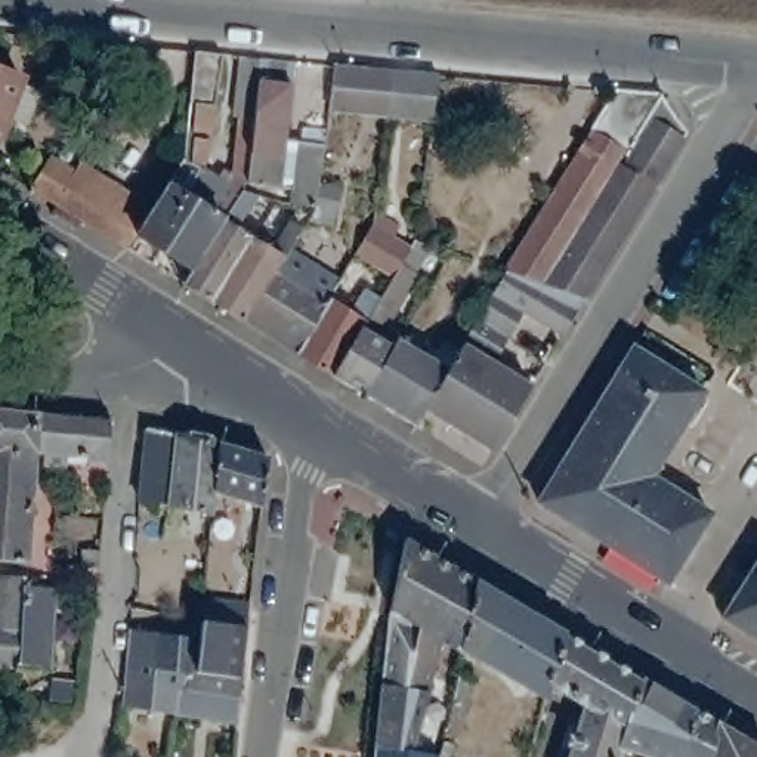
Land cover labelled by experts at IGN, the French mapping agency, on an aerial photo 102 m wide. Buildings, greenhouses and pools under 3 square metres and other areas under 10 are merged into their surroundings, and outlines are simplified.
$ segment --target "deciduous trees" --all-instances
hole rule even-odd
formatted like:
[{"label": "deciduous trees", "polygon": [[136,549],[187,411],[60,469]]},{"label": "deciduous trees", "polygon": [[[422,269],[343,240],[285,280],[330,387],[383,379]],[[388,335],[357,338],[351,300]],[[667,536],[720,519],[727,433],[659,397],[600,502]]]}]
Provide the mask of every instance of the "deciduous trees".
[{"label": "deciduous trees", "polygon": [[429,210],[426,186],[423,192],[408,189],[402,207],[408,231],[417,234],[417,240],[435,257],[444,254],[444,248],[452,242],[455,228],[449,219]]},{"label": "deciduous trees", "polygon": [[98,577],[89,571],[89,565],[71,574],[59,588],[53,606],[53,639],[71,633],[74,648],[83,656],[89,662],[98,621]]},{"label": "deciduous trees", "polygon": [[47,245],[41,245],[35,231],[27,231],[21,225],[21,213],[12,204],[12,192],[0,189],[0,402],[24,402],[30,396],[59,399],[74,390],[80,355],[74,349],[80,340],[80,325],[89,319],[89,305],[83,305],[86,293],[71,272],[71,263],[65,257],[59,260],[56,248],[50,251]]},{"label": "deciduous trees", "polygon": [[346,512],[334,529],[334,550],[343,553],[355,541],[358,550],[373,553],[373,517]]},{"label": "deciduous trees", "polygon": [[526,115],[515,112],[506,103],[497,86],[470,86],[447,95],[438,98],[435,118],[429,127],[435,133],[438,157],[447,174],[470,177],[488,166],[515,166],[526,154]]},{"label": "deciduous trees", "polygon": [[50,500],[50,515],[59,520],[74,517],[80,512],[77,467],[38,470],[41,488]]},{"label": "deciduous trees", "polygon": [[180,92],[177,83],[172,83],[172,74],[160,53],[148,56],[145,50],[118,44],[101,47],[83,33],[41,27],[35,21],[24,33],[9,33],[9,24],[0,27],[0,65],[24,56],[44,62],[53,44],[71,53],[68,80],[59,86],[59,101],[53,103],[53,112],[47,118],[53,124],[53,136],[44,139],[41,154],[30,148],[33,139],[24,133],[12,133],[6,148],[9,157],[24,160],[21,183],[33,186],[38,177],[38,166],[50,163],[62,151],[80,160],[83,166],[95,169],[121,166],[124,157],[133,151],[130,142],[115,142],[118,133],[145,136],[151,142],[151,154],[177,166],[183,163],[189,92]]},{"label": "deciduous trees", "polygon": [[668,290],[654,305],[648,305],[651,313],[659,313],[668,322],[677,322],[680,316],[701,319],[710,349],[730,364],[745,364],[757,355],[757,180],[751,186],[736,189],[736,204],[727,207],[710,225],[710,234],[719,237],[719,242],[698,257],[698,266],[680,284],[680,290]]},{"label": "deciduous trees", "polygon": [[444,707],[452,707],[455,680],[476,683],[473,665],[464,659],[458,654],[449,654],[444,680]]},{"label": "deciduous trees", "polygon": [[35,748],[33,727],[21,727],[21,713],[3,713],[0,707],[0,757],[18,757]]},{"label": "deciduous trees", "polygon": [[458,319],[458,325],[464,328],[485,322],[494,296],[476,293],[464,302]]}]

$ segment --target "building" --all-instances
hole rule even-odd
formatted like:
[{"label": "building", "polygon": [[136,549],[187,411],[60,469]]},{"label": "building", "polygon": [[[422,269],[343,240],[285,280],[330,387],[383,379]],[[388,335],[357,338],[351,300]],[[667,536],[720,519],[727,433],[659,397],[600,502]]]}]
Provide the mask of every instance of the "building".
[{"label": "building", "polygon": [[630,556],[654,577],[671,583],[689,550],[695,547],[704,523],[710,520],[710,509],[701,500],[701,491],[692,494],[680,488],[668,476],[662,476],[662,470],[671,467],[668,455],[683,429],[689,426],[689,420],[695,417],[695,411],[704,405],[707,387],[698,381],[692,367],[680,370],[654,349],[630,343],[615,373],[597,393],[594,405],[588,408],[585,420],[580,423],[577,435],[571,438],[568,449],[562,452],[559,464],[553,467],[547,485],[535,497],[547,503],[556,515],[568,517],[588,535],[594,535],[600,547]]},{"label": "building", "polygon": [[0,668],[18,665],[33,662],[41,668],[41,674],[53,674],[53,639],[53,606],[59,588],[50,588],[33,585],[30,577],[0,577]]},{"label": "building", "polygon": [[517,597],[506,594],[503,588],[491,585],[488,580],[461,571],[452,562],[444,562],[441,556],[423,550],[411,538],[402,547],[393,612],[387,621],[381,668],[384,677],[379,695],[379,727],[373,757],[441,757],[441,754],[420,754],[417,742],[426,739],[423,716],[432,707],[432,683],[435,677],[444,680],[449,654],[458,654],[464,659],[467,654],[476,654],[482,662],[500,668],[503,674],[523,683],[538,698],[550,698],[553,704],[565,698],[583,707],[568,742],[568,757],[757,757],[757,739],[704,713],[698,704],[683,701],[665,686],[654,683],[651,677],[636,674],[630,665],[612,659],[606,651],[585,645],[585,639],[574,636],[568,627],[535,612]]},{"label": "building", "polygon": [[35,515],[33,500],[35,488],[41,488],[38,470],[77,467],[95,470],[112,452],[112,447],[103,441],[112,429],[109,414],[44,414],[27,408],[24,402],[0,402],[0,565],[6,565],[12,556],[30,553]]},{"label": "building", "polygon": [[216,509],[216,494],[248,500],[251,506],[263,500],[269,473],[263,444],[257,449],[248,449],[198,429],[172,432],[160,426],[136,426],[130,485],[133,500],[142,506],[166,503],[174,509],[201,512],[204,517]]},{"label": "building", "polygon": [[248,621],[204,621],[198,668],[189,659],[186,636],[127,627],[112,630],[112,639],[124,639],[112,704],[121,710],[130,707],[166,716],[201,722],[210,719],[222,727],[237,727]]},{"label": "building", "polygon": [[730,615],[745,633],[757,636],[757,556],[739,580],[739,585],[733,588],[727,606],[722,609],[722,615]]},{"label": "building", "polygon": [[30,86],[24,56],[0,65],[0,151],[6,148],[12,133],[24,133],[35,109],[38,95]]},{"label": "building", "polygon": [[225,44],[219,44],[216,53],[195,53],[195,74],[189,92],[183,163],[177,166],[172,172],[172,180],[163,186],[160,198],[136,228],[127,216],[127,189],[109,183],[95,169],[83,166],[80,160],[62,151],[50,163],[38,166],[38,177],[33,186],[33,204],[50,201],[47,213],[71,225],[80,225],[92,234],[101,234],[115,245],[139,231],[139,237],[145,237],[154,248],[169,254],[174,269],[189,269],[183,287],[195,290],[201,302],[213,302],[213,308],[222,316],[240,319],[248,334],[260,337],[263,343],[281,349],[296,361],[308,361],[334,384],[340,381],[352,393],[361,393],[361,399],[373,411],[417,429],[420,435],[444,441],[464,458],[479,464],[488,458],[491,447],[497,447],[506,438],[512,426],[520,423],[517,411],[523,408],[532,390],[529,381],[517,379],[517,361],[512,367],[500,364],[500,355],[509,352],[506,343],[517,340],[526,331],[520,316],[541,319],[547,331],[556,316],[577,319],[580,299],[597,290],[609,263],[621,251],[633,225],[639,222],[642,210],[654,198],[656,183],[668,174],[671,163],[683,151],[683,130],[668,115],[656,115],[648,124],[636,148],[621,148],[609,133],[594,127],[583,142],[574,166],[565,172],[562,183],[553,186],[550,198],[544,201],[541,216],[535,219],[520,248],[509,260],[503,284],[494,290],[494,296],[485,322],[464,328],[470,337],[461,346],[458,358],[452,352],[441,352],[435,358],[405,337],[384,340],[373,331],[355,331],[352,325],[358,319],[387,322],[399,316],[408,305],[414,281],[417,272],[435,269],[435,257],[417,240],[417,234],[408,231],[402,207],[387,201],[387,210],[373,219],[373,228],[355,263],[364,266],[370,278],[390,275],[390,287],[381,296],[364,293],[355,308],[346,308],[340,302],[316,302],[316,293],[343,290],[343,281],[334,275],[334,263],[325,263],[305,251],[302,231],[296,222],[272,248],[269,242],[242,231],[248,216],[257,216],[266,201],[257,198],[257,189],[269,189],[275,195],[290,192],[293,201],[313,201],[340,198],[340,174],[334,174],[328,154],[325,145],[331,124],[343,124],[343,112],[361,112],[373,112],[373,118],[379,121],[393,121],[396,127],[414,121],[423,130],[429,127],[435,118],[438,98],[447,95],[435,77],[438,68],[432,68],[429,74],[379,71],[358,68],[355,53],[328,53],[322,68],[322,124],[305,124],[305,133],[296,142],[290,139],[290,71],[296,62],[287,53],[263,53]]}]

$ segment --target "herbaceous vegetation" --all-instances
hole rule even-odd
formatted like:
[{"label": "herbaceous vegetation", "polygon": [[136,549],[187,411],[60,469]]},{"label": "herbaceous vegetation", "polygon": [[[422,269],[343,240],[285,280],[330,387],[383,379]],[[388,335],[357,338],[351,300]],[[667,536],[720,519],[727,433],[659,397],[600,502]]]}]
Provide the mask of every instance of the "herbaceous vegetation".
[{"label": "herbaceous vegetation", "polygon": [[402,207],[408,189],[423,130],[414,121],[396,127],[387,169],[387,201]]},{"label": "herbaceous vegetation", "polygon": [[343,553],[349,556],[346,588],[355,594],[364,594],[367,583],[376,577],[373,553],[358,550],[355,541]]},{"label": "herbaceous vegetation", "polygon": [[290,719],[290,730],[316,727],[328,677],[334,674],[340,659],[346,659],[349,648],[361,639],[367,627],[370,612],[361,606],[355,624],[358,630],[346,642],[308,639],[313,659],[305,671],[302,713]]},{"label": "herbaceous vegetation", "polygon": [[491,0],[520,6],[671,12],[683,18],[757,24],[757,0]]},{"label": "herbaceous vegetation", "polygon": [[163,722],[166,716],[130,707],[130,733],[118,745],[115,757],[169,757],[172,724]]},{"label": "herbaceous vegetation", "polygon": [[109,476],[103,470],[95,470],[77,467],[80,512],[74,517],[95,520],[92,538],[83,541],[74,541],[59,520],[50,515],[50,588],[59,588],[71,574],[89,565],[83,556],[86,550],[101,547],[103,512],[109,497]]},{"label": "herbaceous vegetation", "polygon": [[325,736],[319,736],[328,748],[358,748],[361,710],[367,698],[364,659],[340,677],[340,695],[331,727]]},{"label": "herbaceous vegetation", "polygon": [[142,506],[139,535],[133,535],[133,553],[139,553],[142,562],[142,585],[139,591],[127,594],[127,627],[186,636],[189,659],[198,668],[204,621],[248,621],[251,580],[245,577],[245,571],[254,568],[260,535],[260,520],[251,517],[251,506],[248,500],[216,494],[216,509],[225,512],[225,520],[213,526],[207,574],[198,571],[195,544],[204,517],[201,512],[174,509],[166,503]]},{"label": "herbaceous vegetation", "polygon": [[361,130],[361,112],[343,112],[343,124],[331,124],[325,145],[328,154],[349,154]]},{"label": "herbaceous vegetation", "polygon": [[74,648],[71,633],[53,639],[53,674],[41,674],[41,668],[33,662],[18,665],[21,680],[27,680],[27,689],[38,692],[38,701],[74,701],[77,662],[83,656]]},{"label": "herbaceous vegetation", "polygon": [[464,659],[473,665],[476,683],[455,680],[452,707],[455,716],[452,727],[447,730],[447,745],[441,754],[441,757],[515,757],[517,748],[512,742],[512,733],[523,727],[523,722],[529,727],[538,727],[541,719],[553,719],[553,704],[550,698],[538,698],[523,683],[503,674],[500,668],[482,662],[476,654],[467,654]]},{"label": "herbaceous vegetation", "polygon": [[47,118],[53,112],[53,103],[59,101],[59,86],[68,80],[71,53],[53,44],[44,62],[24,56],[30,86],[38,95],[35,109]]},{"label": "herbaceous vegetation", "polygon": [[506,248],[512,228],[526,213],[529,201],[544,201],[550,198],[553,186],[562,183],[565,172],[574,166],[583,142],[594,127],[606,101],[594,95],[594,89],[568,95],[568,80],[497,77],[438,68],[435,77],[447,95],[470,86],[497,86],[506,103],[515,112],[526,115],[526,154],[515,166],[488,166],[470,177],[447,174],[438,157],[429,160],[426,186],[429,210],[449,219],[455,228],[452,242],[458,248],[473,251],[473,257],[449,257],[435,284],[414,281],[408,305],[399,316],[387,322],[358,319],[352,325],[355,331],[373,331],[384,340],[405,337],[435,358],[441,352],[452,352],[458,358],[461,346],[470,337],[464,328],[458,325],[458,319],[449,316],[452,281],[479,275],[479,266],[488,254],[500,254]]},{"label": "herbaceous vegetation", "polygon": [[18,757],[65,757],[59,739],[68,727],[59,722],[35,722],[33,727],[35,748]]}]

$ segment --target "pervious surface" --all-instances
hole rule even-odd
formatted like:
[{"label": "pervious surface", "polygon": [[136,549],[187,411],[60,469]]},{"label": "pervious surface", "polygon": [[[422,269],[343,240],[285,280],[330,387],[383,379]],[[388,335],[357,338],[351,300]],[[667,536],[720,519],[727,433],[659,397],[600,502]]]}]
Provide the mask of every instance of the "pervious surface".
[{"label": "pervious surface", "polygon": [[671,12],[520,6],[491,0],[322,0],[361,6],[402,6],[438,15],[710,35],[757,44],[757,24],[683,18]]}]

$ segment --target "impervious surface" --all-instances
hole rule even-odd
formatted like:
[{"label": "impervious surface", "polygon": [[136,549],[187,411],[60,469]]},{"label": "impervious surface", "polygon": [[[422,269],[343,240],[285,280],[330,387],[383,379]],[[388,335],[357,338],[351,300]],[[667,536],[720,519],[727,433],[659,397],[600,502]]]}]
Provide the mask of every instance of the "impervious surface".
[{"label": "impervious surface", "polygon": [[207,739],[222,727],[210,719],[201,722],[195,727],[192,757],[204,757]]},{"label": "impervious surface", "polygon": [[293,210],[272,210],[266,225],[257,216],[248,216],[242,231],[269,242],[272,248],[296,222]]},{"label": "impervious surface", "polygon": [[553,719],[544,757],[568,757],[568,742],[583,707],[565,698],[553,704]]},{"label": "impervious surface", "polygon": [[41,488],[35,488],[33,500],[35,515],[30,553],[12,556],[6,565],[0,565],[0,577],[30,577],[33,585],[50,588],[50,515],[50,500]]},{"label": "impervious surface", "polygon": [[83,541],[92,538],[95,520],[74,517],[59,520],[74,541]]},{"label": "impervious surface", "polygon": [[452,707],[444,707],[444,680],[435,677],[432,683],[432,707],[423,716],[426,739],[417,742],[420,754],[441,754],[447,745],[447,730],[452,727],[455,716]]},{"label": "impervious surface", "polygon": [[313,201],[316,207],[310,228],[302,231],[305,251],[325,263],[334,263],[334,275],[343,281],[343,290],[316,293],[316,302],[340,302],[346,308],[355,308],[364,293],[381,296],[390,287],[390,275],[370,278],[364,266],[355,263],[373,228],[373,219],[355,219],[352,169],[373,166],[379,121],[373,118],[373,112],[361,112],[361,130],[349,154],[328,154],[334,174],[340,174],[340,198]]},{"label": "impervious surface", "polygon": [[[594,89],[594,95],[606,101],[594,127],[609,133],[621,148],[636,148],[648,124],[656,115],[668,115],[683,130],[683,151],[671,163],[668,174],[656,183],[654,198],[642,210],[639,222],[633,225],[621,251],[609,263],[597,290],[580,299],[577,319],[556,316],[547,331],[541,319],[520,316],[526,331],[517,340],[506,343],[509,352],[500,355],[500,364],[512,367],[517,361],[517,379],[529,381],[532,390],[523,408],[517,411],[520,423],[512,426],[506,438],[497,447],[491,447],[488,458],[479,464],[464,458],[444,441],[420,435],[417,429],[373,411],[361,399],[361,393],[352,393],[340,381],[334,384],[308,361],[296,361],[281,349],[263,343],[260,337],[248,334],[240,319],[222,316],[213,308],[213,302],[201,302],[195,290],[183,287],[189,269],[174,269],[169,254],[154,248],[145,237],[139,237],[139,231],[115,245],[101,234],[92,234],[80,225],[71,225],[47,213],[50,201],[33,204],[33,186],[21,183],[24,160],[9,157],[6,148],[0,151],[0,189],[12,192],[12,204],[21,213],[21,225],[27,231],[35,231],[41,245],[47,245],[50,251],[56,248],[59,260],[65,257],[71,263],[71,272],[86,293],[83,305],[89,305],[89,319],[80,325],[80,340],[74,349],[80,355],[74,390],[59,399],[30,396],[24,402],[27,408],[44,414],[109,414],[112,429],[103,441],[112,447],[112,452],[95,470],[103,470],[109,476],[109,497],[103,512],[101,547],[86,550],[83,556],[89,565],[89,571],[98,577],[98,621],[89,662],[86,707],[68,727],[59,739],[65,757],[103,757],[112,704],[124,639],[112,639],[112,630],[127,627],[127,594],[139,591],[142,585],[142,562],[139,553],[133,553],[133,535],[139,535],[142,506],[133,500],[130,485],[136,426],[160,426],[172,432],[198,429],[248,449],[257,449],[263,444],[269,473],[263,500],[251,506],[251,517],[260,520],[260,535],[254,568],[245,571],[245,577],[251,580],[248,621],[237,727],[234,757],[361,757],[358,748],[328,748],[319,736],[325,736],[331,727],[340,695],[340,677],[364,659],[379,615],[387,621],[393,612],[402,547],[411,538],[423,550],[441,556],[444,562],[452,562],[461,571],[488,580],[491,585],[503,588],[506,594],[517,597],[535,612],[568,627],[574,636],[585,639],[585,645],[606,651],[612,659],[630,665],[636,674],[651,677],[654,683],[665,686],[683,701],[698,704],[704,713],[757,739],[757,636],[745,633],[730,615],[722,615],[722,609],[727,606],[733,588],[739,585],[739,580],[757,556],[757,355],[745,364],[730,364],[710,349],[701,319],[680,316],[677,322],[668,322],[659,313],[651,313],[648,305],[654,305],[668,290],[680,290],[680,284],[698,266],[698,257],[719,242],[719,237],[710,234],[710,225],[727,207],[736,204],[736,189],[751,186],[757,180],[757,44],[710,35],[438,15],[402,6],[361,6],[322,0],[0,0],[0,27],[9,24],[9,33],[24,33],[35,21],[41,27],[83,33],[101,47],[118,44],[145,50],[148,56],[160,53],[172,74],[172,83],[177,83],[180,92],[189,92],[195,74],[195,53],[216,53],[219,44],[225,44],[263,53],[287,53],[296,62],[290,71],[290,139],[296,142],[305,133],[305,124],[322,124],[322,68],[328,53],[355,53],[358,68],[379,71],[429,74],[432,68],[438,68],[497,77],[568,80],[568,95]],[[707,387],[704,405],[695,411],[695,417],[689,420],[689,426],[683,429],[668,455],[671,467],[662,470],[662,476],[668,476],[680,488],[692,494],[701,491],[701,500],[710,509],[710,520],[704,523],[695,547],[689,550],[671,583],[654,577],[630,556],[600,547],[594,535],[588,535],[568,517],[556,515],[547,503],[535,497],[547,485],[553,467],[559,464],[562,452],[568,449],[571,438],[577,435],[580,423],[585,420],[588,408],[594,405],[597,393],[615,373],[630,343],[654,349],[680,370],[692,367],[698,381]],[[334,529],[346,512],[373,517],[373,553],[376,577],[367,583],[364,594],[355,594],[346,588],[349,556],[343,553],[334,550]],[[358,630],[355,624],[361,606],[370,612],[367,627],[361,639],[349,648],[346,659],[340,659],[334,674],[328,677],[316,727],[290,730],[290,719],[302,713],[305,671],[313,659],[308,639],[346,642]]]},{"label": "impervious surface", "polygon": [[127,189],[127,216],[136,228],[160,198],[163,186],[172,180],[172,172],[177,166],[151,154],[151,142],[145,136],[118,133],[115,142],[130,142],[133,151],[124,157],[121,166],[95,169],[109,183]]},{"label": "impervious surface", "polygon": [[41,154],[44,139],[53,136],[53,124],[47,118],[35,109],[24,133],[33,139],[30,148]]}]

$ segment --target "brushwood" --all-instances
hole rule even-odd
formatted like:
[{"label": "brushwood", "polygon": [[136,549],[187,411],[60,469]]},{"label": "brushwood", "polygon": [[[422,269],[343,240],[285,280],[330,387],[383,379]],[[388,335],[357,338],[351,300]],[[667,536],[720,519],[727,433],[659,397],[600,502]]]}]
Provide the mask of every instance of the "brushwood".
[{"label": "brushwood", "polygon": [[130,733],[130,707],[121,710],[112,704],[103,757],[115,757],[118,745]]},{"label": "brushwood", "polygon": [[544,201],[529,201],[526,213],[512,228],[506,248],[500,254],[488,254],[479,266],[479,275],[452,281],[449,316],[458,319],[464,302],[476,293],[494,296],[494,290],[503,284],[509,260],[520,248],[535,219],[541,216]]},{"label": "brushwood", "polygon": [[444,248],[444,254],[435,257],[435,269],[417,272],[414,281],[435,284],[449,257],[473,257],[473,251],[458,248],[452,242]]},{"label": "brushwood", "polygon": [[195,544],[198,571],[207,574],[213,526],[225,520],[225,512],[216,509],[204,517]]},{"label": "brushwood", "polygon": [[367,698],[361,710],[358,748],[361,757],[373,757],[379,727],[379,695],[384,677],[381,668],[387,621],[379,615],[364,659]]},{"label": "brushwood", "polygon": [[310,228],[316,207],[313,201],[293,201],[290,192],[275,195],[269,189],[257,189],[257,198],[266,201],[257,216],[266,225],[272,210],[293,210],[296,222],[302,231]]},{"label": "brushwood", "polygon": [[163,722],[172,724],[169,757],[192,757],[195,727],[201,722],[166,716]]},{"label": "brushwood", "polygon": [[222,727],[207,739],[204,757],[234,757],[237,727]]},{"label": "brushwood", "polygon": [[27,680],[21,680],[18,665],[0,668],[0,707],[3,713],[21,713],[21,727],[33,727],[35,722],[59,722],[68,727],[86,707],[89,662],[83,656],[77,662],[74,701],[38,701],[38,692],[27,689]]},{"label": "brushwood", "polygon": [[408,189],[423,192],[426,186],[429,160],[438,157],[435,133],[429,127],[423,130]]},{"label": "brushwood", "polygon": [[373,166],[352,169],[355,219],[373,219],[387,210],[387,201],[387,169],[396,127],[393,121],[379,121]]},{"label": "brushwood", "polygon": [[544,757],[553,719],[541,719],[538,727],[529,727],[523,722],[523,727],[512,733],[512,742],[517,748],[515,757]]}]

